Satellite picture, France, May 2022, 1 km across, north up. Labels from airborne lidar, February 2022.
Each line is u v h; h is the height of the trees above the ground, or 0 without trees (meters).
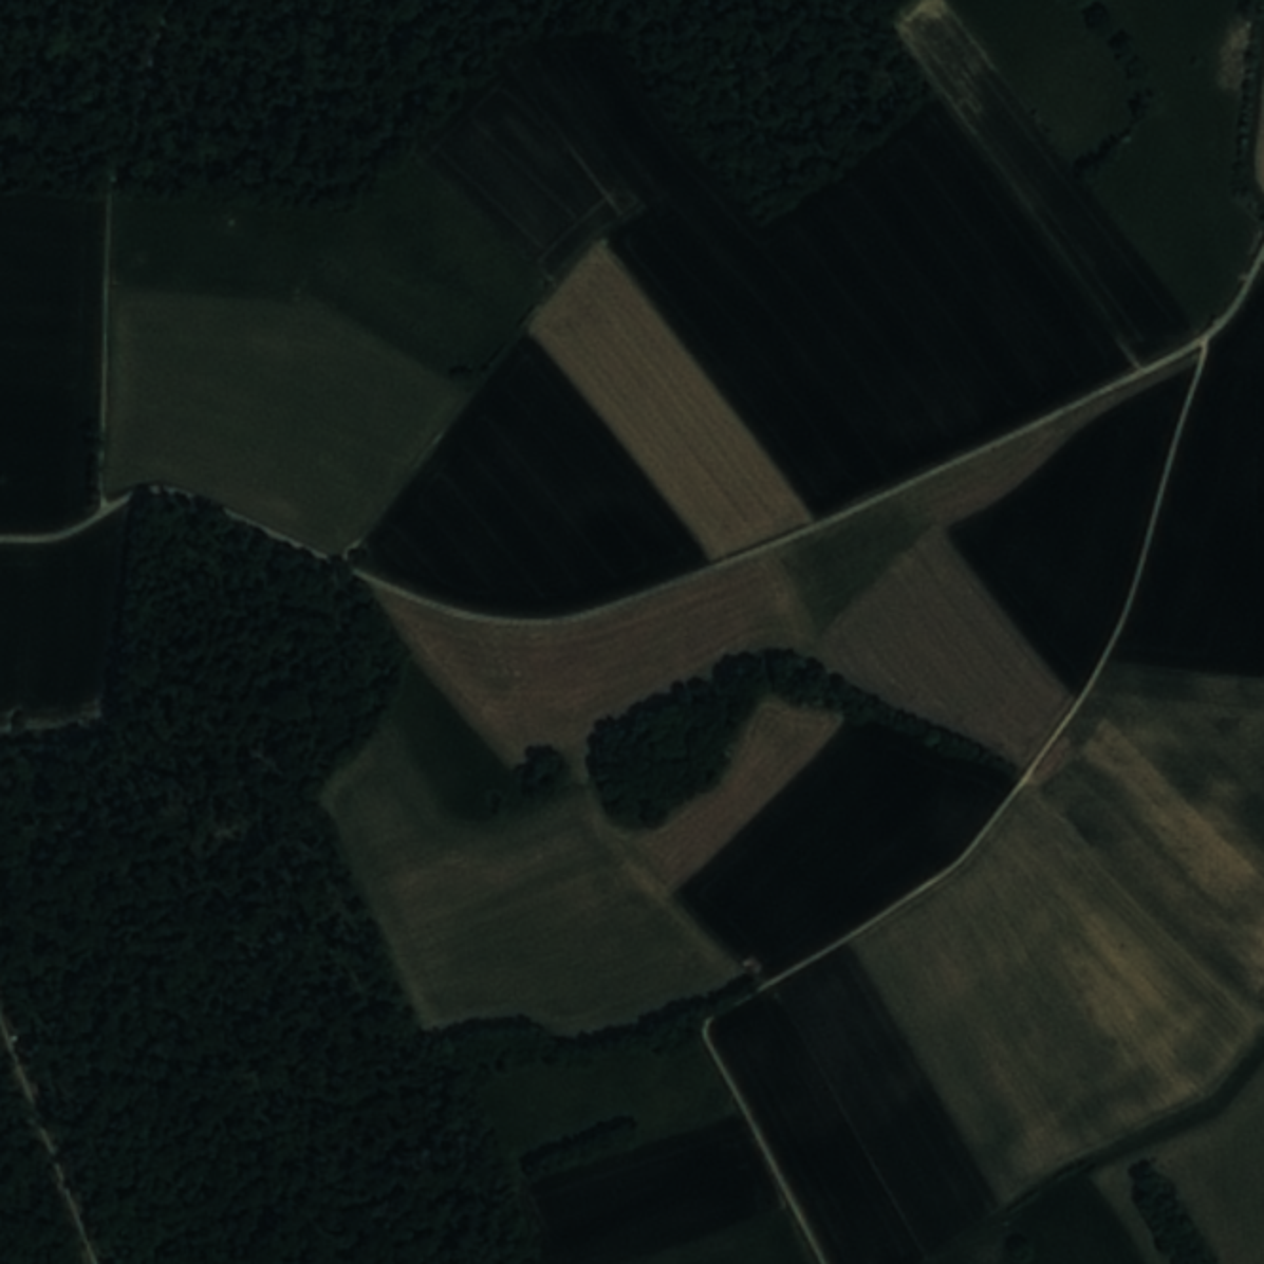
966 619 0
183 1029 24
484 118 0
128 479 0
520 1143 0
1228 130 0
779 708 0
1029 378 0
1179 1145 0
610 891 0
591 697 0
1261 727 0
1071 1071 0
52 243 0
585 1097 0
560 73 0
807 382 0
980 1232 0
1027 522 0
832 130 27
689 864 0
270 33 23
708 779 16
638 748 17
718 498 0
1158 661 0
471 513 0
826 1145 0
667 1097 0
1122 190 0
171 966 24
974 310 0
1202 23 0
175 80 11
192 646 24
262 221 0
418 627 0
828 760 0
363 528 0
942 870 0
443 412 0
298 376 0
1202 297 0
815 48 26
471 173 0
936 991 0
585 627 0
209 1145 21
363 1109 18
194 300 0
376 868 0
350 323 0
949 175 0
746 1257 0
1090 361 0
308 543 0
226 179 25
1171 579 0
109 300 0
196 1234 20
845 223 0
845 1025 0
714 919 0
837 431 0
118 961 24
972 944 0
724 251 0
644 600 0
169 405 0
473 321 0
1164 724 0
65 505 0
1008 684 0
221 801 7
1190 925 0
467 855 0
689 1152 0
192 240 0
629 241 0
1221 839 0
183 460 0
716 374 0
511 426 0
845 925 0
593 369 0
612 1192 0
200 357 0
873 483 0
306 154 28
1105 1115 0
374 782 0
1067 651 0
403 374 0
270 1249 27
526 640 0
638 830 0
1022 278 0
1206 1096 0
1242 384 0
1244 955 0
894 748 0
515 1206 13
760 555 0
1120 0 0
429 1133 20
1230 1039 0
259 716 11
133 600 19
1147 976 0
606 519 0
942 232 0
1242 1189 0
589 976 0
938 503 0
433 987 0
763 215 14
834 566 0
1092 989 0
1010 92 0
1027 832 0
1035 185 0
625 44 10
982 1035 0
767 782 0
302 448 0
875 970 0
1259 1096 0
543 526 0
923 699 0
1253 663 0
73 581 0
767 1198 0
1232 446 0
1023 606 0
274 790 25
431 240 0
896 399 0
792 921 0
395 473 0
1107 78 0
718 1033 0
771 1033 0
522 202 0
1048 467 0
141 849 27
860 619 0
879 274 0
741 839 0
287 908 31
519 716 0
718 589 0
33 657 0
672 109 19
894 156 0
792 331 0
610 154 0
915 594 0
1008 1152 0
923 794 0
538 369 0
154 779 27
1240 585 0
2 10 14
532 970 0
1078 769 0
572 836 0
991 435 0
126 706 26
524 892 0
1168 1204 17
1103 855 0
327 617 23
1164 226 0
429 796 0
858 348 0
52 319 0
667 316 0
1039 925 0
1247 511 0
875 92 6
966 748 12
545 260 0
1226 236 0
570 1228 0
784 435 0
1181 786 0
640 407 0
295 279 0
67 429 0
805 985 0
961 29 0
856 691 9
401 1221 27
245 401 0
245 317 0
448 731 0
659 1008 0
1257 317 0
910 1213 0
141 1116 24
